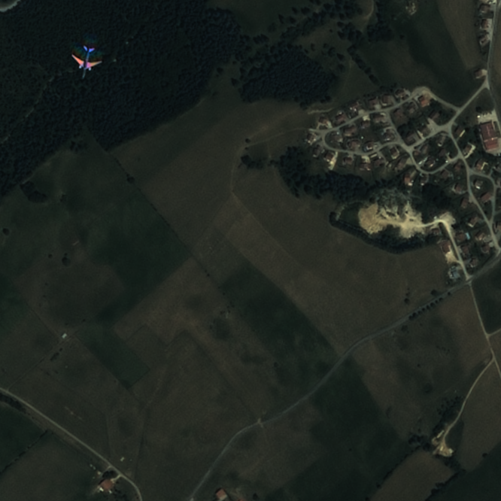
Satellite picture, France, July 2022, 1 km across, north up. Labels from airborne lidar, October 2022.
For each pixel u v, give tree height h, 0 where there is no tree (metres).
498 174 9
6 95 7
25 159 18
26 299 0
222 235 0
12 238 0
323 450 0
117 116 23
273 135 0
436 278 0
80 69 9
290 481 0
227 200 0
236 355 0
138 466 0
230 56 23
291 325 0
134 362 0
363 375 0
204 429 0
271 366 0
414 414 0
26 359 0
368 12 0
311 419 0
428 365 0
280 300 0
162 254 0
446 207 11
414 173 0
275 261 0
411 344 0
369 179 0
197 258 0
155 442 0
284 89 17
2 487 0
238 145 0
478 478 0
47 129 16
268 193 0
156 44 18
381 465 0
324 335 0
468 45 0
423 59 0
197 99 18
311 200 0
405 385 0
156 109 21
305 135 0
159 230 0
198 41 20
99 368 0
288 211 0
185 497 0
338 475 0
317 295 0
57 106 13
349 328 0
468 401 0
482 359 0
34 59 8
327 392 0
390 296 0
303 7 0
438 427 6
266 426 0
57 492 0
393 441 0
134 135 14
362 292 0
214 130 0
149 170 0
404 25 0
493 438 0
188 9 15
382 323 0
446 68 0
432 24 0
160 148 0
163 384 0
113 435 0
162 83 15
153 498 0
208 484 0
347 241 0
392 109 0
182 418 0
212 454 0
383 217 0
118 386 0
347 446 0
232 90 0
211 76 8
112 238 0
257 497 14
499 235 0
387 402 0
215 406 0
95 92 18
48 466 0
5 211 0
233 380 0
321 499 0
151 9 18
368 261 0
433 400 0
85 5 7
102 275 0
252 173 0
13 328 0
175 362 0
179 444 0
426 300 0
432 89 0
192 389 0
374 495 0
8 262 0
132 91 17
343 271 0
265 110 0
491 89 0
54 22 6
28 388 0
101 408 0
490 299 0
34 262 0
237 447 0
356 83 0
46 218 0
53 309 0
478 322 0
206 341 0
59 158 0
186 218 0
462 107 0
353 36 19
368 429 0
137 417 0
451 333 0
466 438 0
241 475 0
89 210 0
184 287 0
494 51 0
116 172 0
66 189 0
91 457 0
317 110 0
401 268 0
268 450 0
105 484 0
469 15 0
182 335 0
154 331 0
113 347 0
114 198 0
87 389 0
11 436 0
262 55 7
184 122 0
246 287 0
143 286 0
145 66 16
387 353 0
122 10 12
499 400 0
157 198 0
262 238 0
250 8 0
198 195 0
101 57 9
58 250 0
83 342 0
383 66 0
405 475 0
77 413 0
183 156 0
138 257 0
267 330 0
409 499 0
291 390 0
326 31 0
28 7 13
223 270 0
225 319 0
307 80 18
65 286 0
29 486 0
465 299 0
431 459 0
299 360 0
